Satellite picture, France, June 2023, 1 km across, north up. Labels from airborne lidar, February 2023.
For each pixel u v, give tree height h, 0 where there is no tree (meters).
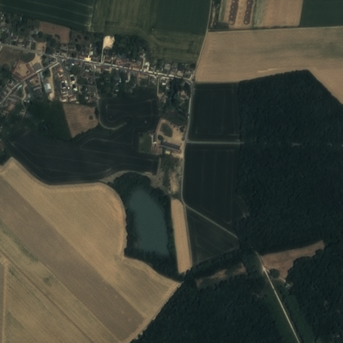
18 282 0
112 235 0
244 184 10
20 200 0
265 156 21
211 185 0
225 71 0
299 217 13
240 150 8
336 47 0
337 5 0
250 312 25
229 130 0
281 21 0
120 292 0
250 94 18
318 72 0
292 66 0
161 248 0
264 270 0
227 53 0
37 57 0
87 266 0
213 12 0
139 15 0
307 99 16
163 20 0
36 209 0
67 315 0
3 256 0
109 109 0
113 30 0
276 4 0
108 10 0
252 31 0
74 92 0
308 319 28
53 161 0
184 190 0
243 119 15
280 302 0
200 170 0
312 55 0
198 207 0
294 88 17
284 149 22
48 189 0
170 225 16
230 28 0
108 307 0
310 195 19
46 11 0
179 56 0
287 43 0
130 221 18
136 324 0
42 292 0
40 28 0
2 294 0
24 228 0
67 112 0
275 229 20
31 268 0
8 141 0
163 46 0
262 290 18
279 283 0
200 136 0
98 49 10
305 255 0
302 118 23
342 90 0
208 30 0
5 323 0
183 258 0
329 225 19
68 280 0
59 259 0
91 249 0
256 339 24
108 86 11
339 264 22
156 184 0
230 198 0
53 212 0
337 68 0
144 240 0
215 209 0
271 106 21
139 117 0
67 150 0
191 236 0
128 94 12
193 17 0
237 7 0
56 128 0
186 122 0
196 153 0
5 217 0
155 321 10
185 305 23
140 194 0
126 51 14
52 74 0
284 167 20
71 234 0
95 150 0
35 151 0
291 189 12
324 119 20
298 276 21
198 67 0
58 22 0
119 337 0
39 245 0
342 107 19
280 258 0
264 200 19
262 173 19
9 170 0
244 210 0
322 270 19
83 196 0
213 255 0
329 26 0
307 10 0
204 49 0
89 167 0
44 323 0
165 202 13
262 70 0
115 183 8
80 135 10
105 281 0
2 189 0
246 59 0
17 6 0
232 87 0
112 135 0
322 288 23
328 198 17
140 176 10
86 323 0
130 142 0
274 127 21
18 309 0
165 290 0
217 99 0
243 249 19
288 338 30
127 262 0
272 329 25
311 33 0
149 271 0
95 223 0
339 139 20
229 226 0
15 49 0
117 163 0
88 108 0
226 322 19
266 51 0
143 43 19
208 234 0
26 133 0
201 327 18
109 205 0
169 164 0
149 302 0
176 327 24
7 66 13
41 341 0
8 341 0
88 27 0
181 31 0
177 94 12
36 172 0
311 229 20
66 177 0
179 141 0
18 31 11
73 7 0
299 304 25
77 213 0
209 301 22
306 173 23
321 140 20
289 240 21
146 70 0
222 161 0
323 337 25
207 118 0
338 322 24
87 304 0
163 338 20
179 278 13
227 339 21
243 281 21
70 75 0
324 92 12
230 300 17
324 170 20
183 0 0
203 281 0
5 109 8
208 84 0
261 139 23
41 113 0
